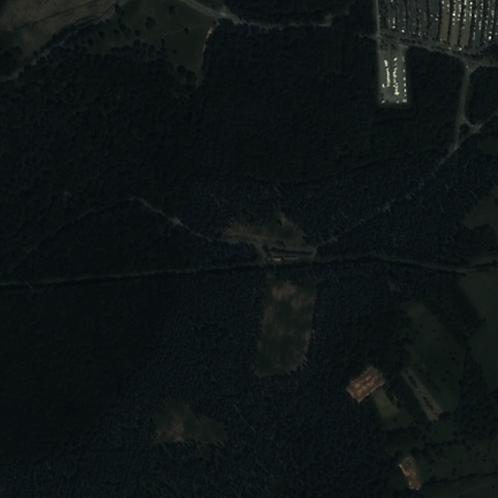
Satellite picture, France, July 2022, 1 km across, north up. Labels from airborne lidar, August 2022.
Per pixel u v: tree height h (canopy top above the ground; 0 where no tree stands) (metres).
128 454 30
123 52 15
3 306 16
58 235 19
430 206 22
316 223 24
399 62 0
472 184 24
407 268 18
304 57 17
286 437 27
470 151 25
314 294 0
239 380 22
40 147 21
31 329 18
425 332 0
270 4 21
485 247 20
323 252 23
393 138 20
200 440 0
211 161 25
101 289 18
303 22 18
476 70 6
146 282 18
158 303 22
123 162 19
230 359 17
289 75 23
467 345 7
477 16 0
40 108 21
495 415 9
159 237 23
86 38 13
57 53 23
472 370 14
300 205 21
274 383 22
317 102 19
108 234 23
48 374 20
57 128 9
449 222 27
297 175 14
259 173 14
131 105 17
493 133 15
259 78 18
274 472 25
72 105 24
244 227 0
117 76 21
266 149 20
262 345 0
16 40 0
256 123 18
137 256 25
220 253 22
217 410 27
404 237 26
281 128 18
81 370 17
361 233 21
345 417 22
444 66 20
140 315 20
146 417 23
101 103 14
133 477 28
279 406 28
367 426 24
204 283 21
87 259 21
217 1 0
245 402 20
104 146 20
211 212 24
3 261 25
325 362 33
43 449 24
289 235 0
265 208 24
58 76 9
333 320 25
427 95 19
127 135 23
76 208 21
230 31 9
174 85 14
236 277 23
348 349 19
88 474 27
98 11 0
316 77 18
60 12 0
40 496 27
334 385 21
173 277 18
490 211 0
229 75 13
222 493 23
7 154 16
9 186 19
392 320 20
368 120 29
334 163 17
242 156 15
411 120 15
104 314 20
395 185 25
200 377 25
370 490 23
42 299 19
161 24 0
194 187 27
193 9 0
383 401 0
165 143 19
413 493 17
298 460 31
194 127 16
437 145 16
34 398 22
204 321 14
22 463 26
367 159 12
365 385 0
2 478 29
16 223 22
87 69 19
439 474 0
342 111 22
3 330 19
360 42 19
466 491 0
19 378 23
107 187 17
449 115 18
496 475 6
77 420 19
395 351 22
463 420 12
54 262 25
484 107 14
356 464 20
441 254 23
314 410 27
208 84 18
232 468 21
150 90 19
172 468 23
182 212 18
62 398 20
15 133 19
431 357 0
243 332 24
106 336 24
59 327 21
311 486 16
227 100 17
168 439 0
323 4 21
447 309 17
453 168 20
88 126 18
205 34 0
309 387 25
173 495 24
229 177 21
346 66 17
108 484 29
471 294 0
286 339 0
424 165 22
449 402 0
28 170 11
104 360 20
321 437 32
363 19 21
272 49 16
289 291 0
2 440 20
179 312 24
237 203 24
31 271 25
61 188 21
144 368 23
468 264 17
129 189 20
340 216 21
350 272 25
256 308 22
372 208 23
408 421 0
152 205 18
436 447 20
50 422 22
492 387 0
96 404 20
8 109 16
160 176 16
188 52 0
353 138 6
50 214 24
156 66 13
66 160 21
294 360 0
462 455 0
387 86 0
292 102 18
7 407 21
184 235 22
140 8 0
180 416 0
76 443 20
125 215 21
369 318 21
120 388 24
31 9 0
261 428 24
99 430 25
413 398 21
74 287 19
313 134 18
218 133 20
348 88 20
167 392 25
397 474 24
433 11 0
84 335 19
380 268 24
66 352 22
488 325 0
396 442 9
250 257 18
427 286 22
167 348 24
